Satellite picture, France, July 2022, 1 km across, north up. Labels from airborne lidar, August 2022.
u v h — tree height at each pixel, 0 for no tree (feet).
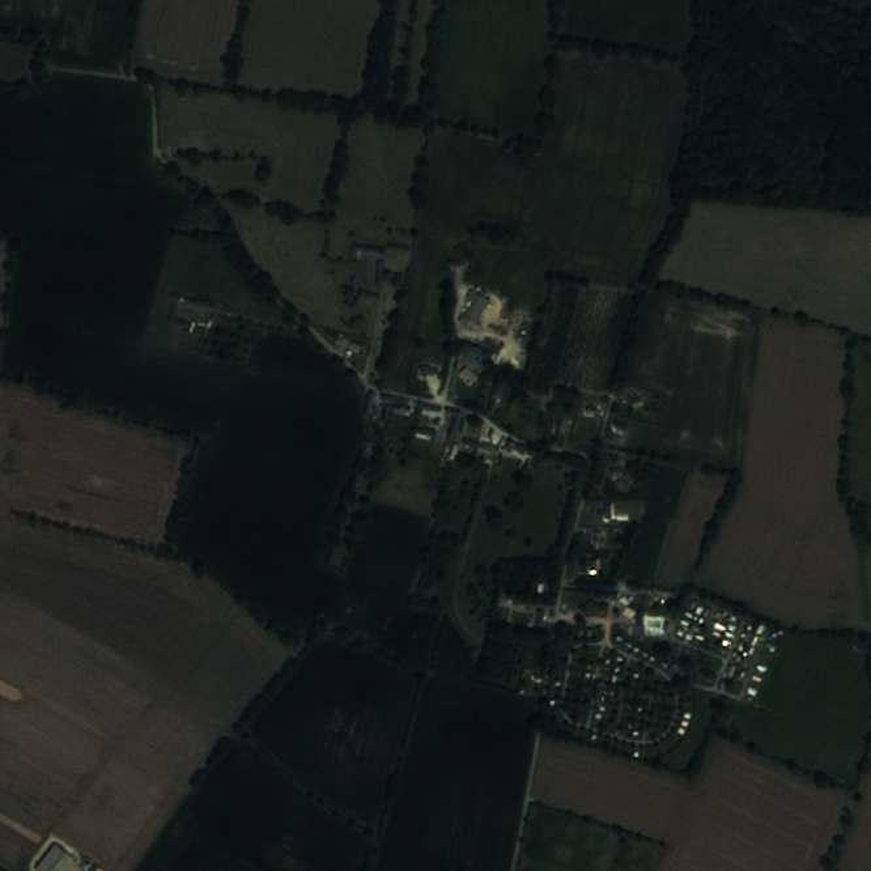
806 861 0
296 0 0
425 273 0
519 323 0
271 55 0
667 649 51
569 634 50
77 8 0
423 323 0
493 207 0
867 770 44
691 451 0
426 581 29
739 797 0
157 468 0
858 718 0
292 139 0
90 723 0
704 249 0
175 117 0
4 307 35
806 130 70
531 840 0
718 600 35
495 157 0
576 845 0
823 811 0
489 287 0
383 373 44
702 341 0
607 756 34
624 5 0
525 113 0
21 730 0
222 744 43
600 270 0
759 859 0
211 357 22
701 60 51
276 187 0
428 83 58
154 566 0
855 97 66
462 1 0
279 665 0
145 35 0
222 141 0
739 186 41
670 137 0
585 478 30
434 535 36
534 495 0
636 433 0
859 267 0
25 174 0
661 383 0
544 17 0
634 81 0
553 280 52
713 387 0
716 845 0
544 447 42
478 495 26
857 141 73
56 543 0
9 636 0
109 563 0
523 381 49
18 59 0
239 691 0
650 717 34
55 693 0
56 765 0
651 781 0
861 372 0
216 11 0
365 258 0
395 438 0
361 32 0
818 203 39
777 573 0
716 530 46
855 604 0
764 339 0
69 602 0
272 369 0
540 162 0
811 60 61
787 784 0
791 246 0
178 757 0
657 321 0
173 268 0
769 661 0
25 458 0
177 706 0
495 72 0
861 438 0
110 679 0
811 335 0
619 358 37
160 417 0
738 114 65
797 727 0
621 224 0
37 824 0
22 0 0
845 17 44
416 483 0
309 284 0
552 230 0
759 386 0
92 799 0
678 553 0
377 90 69
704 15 53
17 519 47
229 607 0
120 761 0
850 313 0
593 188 0
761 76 61
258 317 0
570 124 0
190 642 0
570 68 0
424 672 20
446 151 0
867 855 0
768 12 43
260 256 0
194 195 37
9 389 0
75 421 0
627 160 0
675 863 0
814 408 0
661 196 0
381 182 0
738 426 0
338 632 45
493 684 23
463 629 0
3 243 0
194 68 0
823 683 0
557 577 50
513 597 32
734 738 30
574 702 29
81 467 0
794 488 0
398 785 39
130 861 0
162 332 0
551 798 0
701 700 0
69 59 0
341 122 43
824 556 0
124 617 0
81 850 0
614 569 21
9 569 0
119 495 0
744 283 0
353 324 23
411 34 60
